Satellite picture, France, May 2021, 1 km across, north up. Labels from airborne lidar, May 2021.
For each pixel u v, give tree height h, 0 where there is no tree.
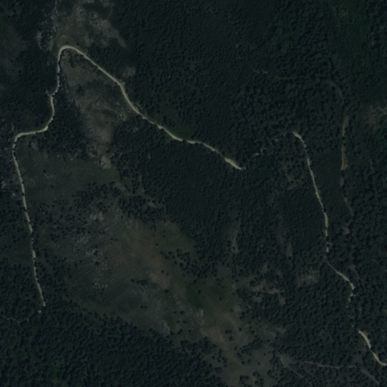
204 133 10
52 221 13
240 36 14
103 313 0
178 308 0
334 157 7
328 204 10
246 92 9
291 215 11
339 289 16
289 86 31
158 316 0
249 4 10
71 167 0
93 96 0
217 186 13
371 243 35
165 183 14
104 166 0
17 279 17
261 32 12
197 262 13
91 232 9
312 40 19
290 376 10
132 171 10
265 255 12
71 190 0
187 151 16
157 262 0
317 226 9
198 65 8
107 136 0
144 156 12
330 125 20
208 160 12
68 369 24
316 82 24
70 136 14
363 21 7
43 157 0
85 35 0
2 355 19
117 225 0
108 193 10
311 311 19
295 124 12
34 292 17
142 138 16
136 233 0
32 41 6
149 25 13
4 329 20
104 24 0
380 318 26
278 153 16
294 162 19
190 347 13
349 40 10
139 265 0
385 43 11
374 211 22
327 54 29
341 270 22
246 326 0
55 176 0
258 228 12
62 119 14
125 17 15
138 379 22
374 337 23
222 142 15
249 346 9
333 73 8
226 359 10
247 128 20
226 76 15
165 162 14
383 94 9
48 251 14
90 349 15
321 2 23
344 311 27
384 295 28
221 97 11
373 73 13
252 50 6
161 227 0
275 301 12
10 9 7
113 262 0
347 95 17
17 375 31
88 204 7
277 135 21
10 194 15
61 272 16
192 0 15
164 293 0
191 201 14
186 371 17
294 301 22
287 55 19
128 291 0
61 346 15
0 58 0
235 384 0
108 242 0
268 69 17
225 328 0
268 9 10
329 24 8
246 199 15
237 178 14
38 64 6
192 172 13
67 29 0
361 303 26
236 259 8
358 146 26
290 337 13
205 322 0
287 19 21
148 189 11
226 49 13
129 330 19
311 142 29
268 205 11
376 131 7
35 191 0
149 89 18
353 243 25
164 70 15
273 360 11
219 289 0
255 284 15
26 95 6
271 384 0
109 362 20
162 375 15
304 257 25
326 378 12
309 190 16
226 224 13
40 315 18
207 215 13
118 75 7
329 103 24
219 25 17
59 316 18
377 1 18
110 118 0
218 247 12
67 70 0
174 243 0
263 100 31
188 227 7
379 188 25
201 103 15
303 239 9
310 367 7
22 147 0
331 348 6
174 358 17
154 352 7
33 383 9
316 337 18
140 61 8
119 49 6
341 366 18
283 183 21
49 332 21
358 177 19
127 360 17
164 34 12
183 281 0
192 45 15
